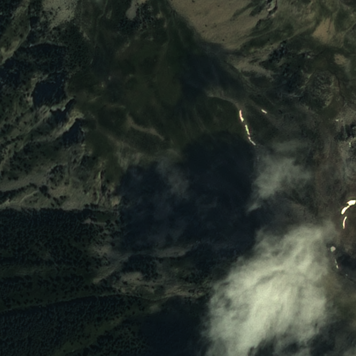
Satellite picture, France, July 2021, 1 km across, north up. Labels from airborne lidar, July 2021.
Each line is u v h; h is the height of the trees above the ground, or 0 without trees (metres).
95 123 0
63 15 0
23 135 0
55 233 27
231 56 0
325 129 0
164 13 0
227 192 0
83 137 0
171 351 9
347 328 0
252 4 0
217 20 0
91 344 0
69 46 9
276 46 0
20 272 0
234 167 0
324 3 0
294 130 0
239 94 0
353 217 0
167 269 0
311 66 0
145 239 14
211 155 0
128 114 0
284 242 0
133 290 0
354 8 0
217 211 0
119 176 0
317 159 0
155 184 0
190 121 0
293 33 0
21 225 17
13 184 0
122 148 0
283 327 0
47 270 0
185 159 0
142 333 18
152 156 0
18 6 0
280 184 0
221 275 7
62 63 11
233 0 0
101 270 0
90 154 0
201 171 0
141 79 0
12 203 0
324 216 0
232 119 0
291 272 0
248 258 0
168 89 0
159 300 0
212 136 0
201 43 0
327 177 0
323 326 0
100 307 23
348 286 0
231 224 0
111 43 0
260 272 0
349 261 0
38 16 13
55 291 15
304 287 0
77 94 0
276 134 0
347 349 0
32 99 0
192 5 0
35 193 0
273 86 0
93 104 0
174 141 0
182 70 0
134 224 0
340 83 0
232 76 0
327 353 0
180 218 0
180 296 0
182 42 0
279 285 0
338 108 0
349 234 0
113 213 0
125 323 11
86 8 0
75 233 27
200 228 11
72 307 26
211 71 0
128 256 0
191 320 0
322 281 0
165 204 0
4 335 27
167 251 0
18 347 27
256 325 0
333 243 0
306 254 0
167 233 0
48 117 0
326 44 0
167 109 0
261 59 0
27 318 24
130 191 0
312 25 0
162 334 9
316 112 0
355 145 0
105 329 0
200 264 7
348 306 0
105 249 0
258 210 0
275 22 0
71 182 0
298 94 0
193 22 0
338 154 0
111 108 0
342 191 0
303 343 0
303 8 0
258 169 0
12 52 0
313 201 0
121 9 0
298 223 0
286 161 0
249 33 0
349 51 0
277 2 0
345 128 0
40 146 9
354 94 0
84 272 0
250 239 0
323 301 0
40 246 17
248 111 0
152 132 0
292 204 0
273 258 0
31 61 0
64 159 0
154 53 0
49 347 29
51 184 0
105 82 0
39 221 16
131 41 0
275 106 0
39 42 0
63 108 0
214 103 0
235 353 0
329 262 0
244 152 0
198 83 0
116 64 0
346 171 0
